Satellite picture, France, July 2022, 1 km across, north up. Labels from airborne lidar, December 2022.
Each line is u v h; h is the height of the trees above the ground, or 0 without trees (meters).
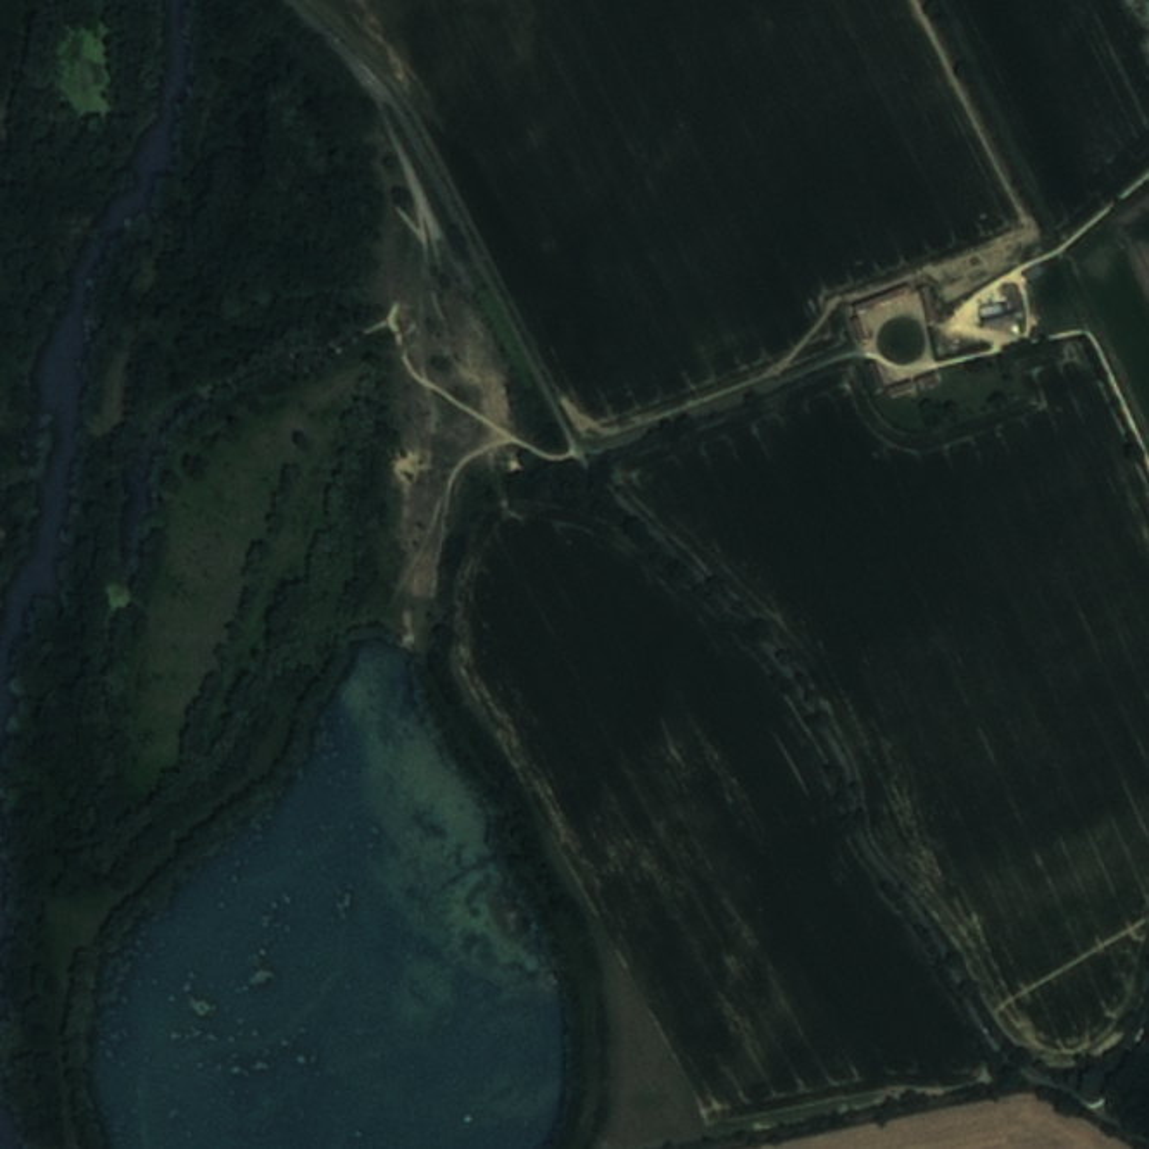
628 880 0
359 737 0
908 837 0
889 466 0
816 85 0
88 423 15
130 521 0
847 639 0
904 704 0
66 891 19
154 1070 0
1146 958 0
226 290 14
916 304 0
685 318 0
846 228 0
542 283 0
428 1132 0
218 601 0
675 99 0
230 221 24
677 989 0
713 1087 0
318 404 0
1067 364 0
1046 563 0
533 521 0
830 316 0
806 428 0
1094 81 0
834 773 13
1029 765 0
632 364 0
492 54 0
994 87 0
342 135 7
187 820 21
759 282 0
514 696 0
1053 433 0
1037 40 0
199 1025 0
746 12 0
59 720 23
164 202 29
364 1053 0
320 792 0
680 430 12
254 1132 0
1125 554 0
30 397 14
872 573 0
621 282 0
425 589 0
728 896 0
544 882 9
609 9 0
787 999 0
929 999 0
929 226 0
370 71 0
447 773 0
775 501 0
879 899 0
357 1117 0
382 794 0
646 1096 0
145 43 27
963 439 0
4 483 17
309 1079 0
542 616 0
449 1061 0
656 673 0
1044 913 0
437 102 0
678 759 0
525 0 0
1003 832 0
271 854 0
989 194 0
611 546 0
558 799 0
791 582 0
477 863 0
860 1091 0
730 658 0
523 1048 0
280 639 24
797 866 0
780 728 0
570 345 0
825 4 0
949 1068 0
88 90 0
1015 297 0
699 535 0
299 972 0
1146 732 0
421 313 0
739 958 0
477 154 0
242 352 7
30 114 24
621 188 0
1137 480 0
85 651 13
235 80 6
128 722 18
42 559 0
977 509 0
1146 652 0
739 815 0
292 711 0
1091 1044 0
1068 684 0
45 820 29
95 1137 21
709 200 0
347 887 0
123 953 0
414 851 0
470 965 0
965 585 0
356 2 0
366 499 17
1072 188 0
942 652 0
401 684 0
